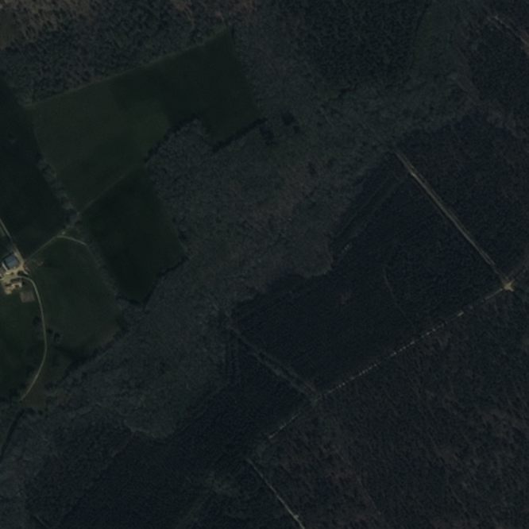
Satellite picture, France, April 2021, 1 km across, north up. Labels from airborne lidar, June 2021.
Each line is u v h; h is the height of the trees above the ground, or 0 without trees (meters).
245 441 15
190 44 8
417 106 23
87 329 0
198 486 7
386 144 14
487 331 16
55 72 6
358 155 22
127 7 14
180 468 13
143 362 21
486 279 17
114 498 12
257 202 19
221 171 17
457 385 19
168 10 12
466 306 18
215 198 25
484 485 15
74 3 14
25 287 6
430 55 19
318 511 19
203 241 15
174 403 21
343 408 19
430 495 19
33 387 0
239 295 15
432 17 19
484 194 19
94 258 12
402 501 15
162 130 0
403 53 23
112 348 16
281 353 11
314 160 18
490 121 15
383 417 18
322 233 15
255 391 13
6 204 0
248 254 17
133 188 0
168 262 0
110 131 0
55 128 0
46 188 0
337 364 13
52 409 17
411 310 19
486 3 13
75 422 17
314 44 19
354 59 22
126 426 12
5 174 0
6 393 0
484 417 12
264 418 14
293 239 16
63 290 0
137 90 0
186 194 17
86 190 0
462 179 18
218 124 0
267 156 19
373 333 12
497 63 19
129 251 0
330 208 20
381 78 13
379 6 18
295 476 18
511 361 20
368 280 14
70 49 14
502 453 12
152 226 0
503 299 10
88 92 0
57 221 0
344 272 13
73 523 14
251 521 19
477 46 13
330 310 13
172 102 0
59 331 0
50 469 20
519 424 12
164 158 23
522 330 18
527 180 22
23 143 0
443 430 20
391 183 13
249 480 18
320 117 24
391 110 25
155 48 15
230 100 0
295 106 24
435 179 16
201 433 13
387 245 14
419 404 17
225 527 11
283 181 17
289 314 12
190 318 22
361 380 19
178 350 16
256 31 18
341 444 14
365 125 22
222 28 17
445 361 22
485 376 17
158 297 15
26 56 21
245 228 17
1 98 0
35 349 0
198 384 17
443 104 14
